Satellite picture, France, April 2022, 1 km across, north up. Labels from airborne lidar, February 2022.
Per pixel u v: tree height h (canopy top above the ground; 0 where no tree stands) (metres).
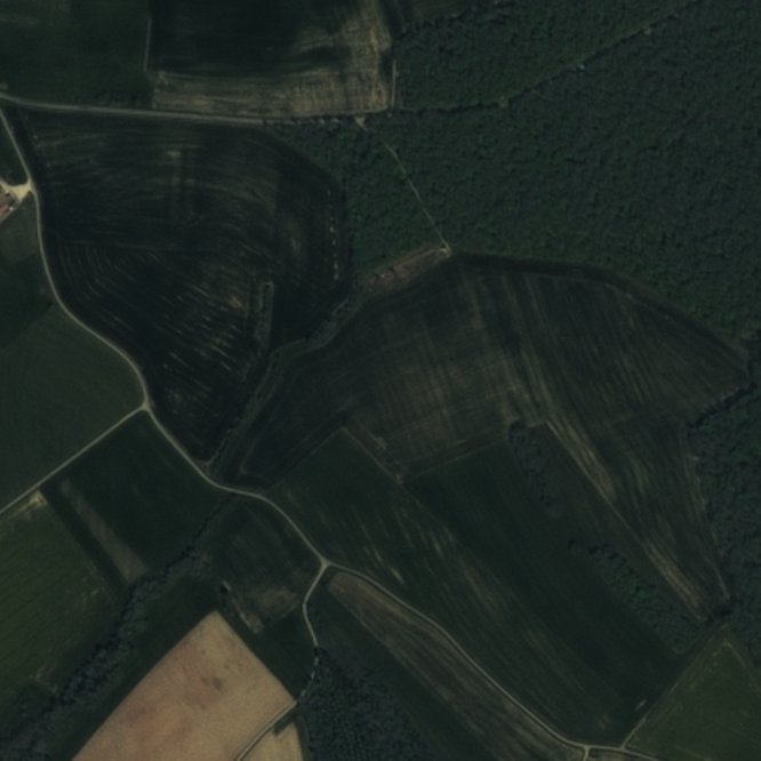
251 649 0
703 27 23
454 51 25
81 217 0
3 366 0
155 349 0
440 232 22
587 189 23
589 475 0
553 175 23
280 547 0
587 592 0
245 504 0
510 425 0
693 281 26
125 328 0
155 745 0
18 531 0
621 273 23
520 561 0
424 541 0
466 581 0
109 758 0
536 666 0
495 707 0
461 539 0
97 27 0
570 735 0
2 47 0
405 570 0
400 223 23
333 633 0
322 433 0
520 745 0
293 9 0
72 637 0
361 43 0
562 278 0
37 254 0
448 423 0
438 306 0
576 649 0
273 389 0
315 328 0
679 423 0
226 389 0
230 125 0
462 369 0
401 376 0
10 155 0
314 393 0
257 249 0
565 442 0
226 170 0
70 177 0
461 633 0
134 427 0
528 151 21
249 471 0
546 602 0
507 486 0
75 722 0
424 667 0
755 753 0
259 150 0
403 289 0
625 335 0
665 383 0
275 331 0
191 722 0
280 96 0
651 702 0
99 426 0
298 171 0
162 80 0
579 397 0
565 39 24
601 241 26
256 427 0
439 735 0
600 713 0
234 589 0
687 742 0
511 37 24
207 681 0
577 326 0
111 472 0
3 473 0
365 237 18
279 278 0
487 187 25
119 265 0
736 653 0
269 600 0
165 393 0
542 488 16
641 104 23
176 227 0
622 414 0
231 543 0
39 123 0
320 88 0
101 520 0
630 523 0
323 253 0
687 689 0
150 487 0
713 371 0
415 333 0
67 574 0
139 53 0
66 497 0
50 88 0
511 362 0
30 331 0
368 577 0
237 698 0
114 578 0
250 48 0
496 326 0
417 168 21
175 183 0
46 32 0
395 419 0
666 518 0
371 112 0
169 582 12
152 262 0
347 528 0
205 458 0
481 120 18
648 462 0
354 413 0
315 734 10
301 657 0
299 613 0
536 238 26
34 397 0
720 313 25
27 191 0
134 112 0
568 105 22
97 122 0
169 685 0
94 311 0
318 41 0
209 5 0
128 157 0
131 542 0
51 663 0
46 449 0
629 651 0
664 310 0
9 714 0
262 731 0
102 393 0
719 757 0
